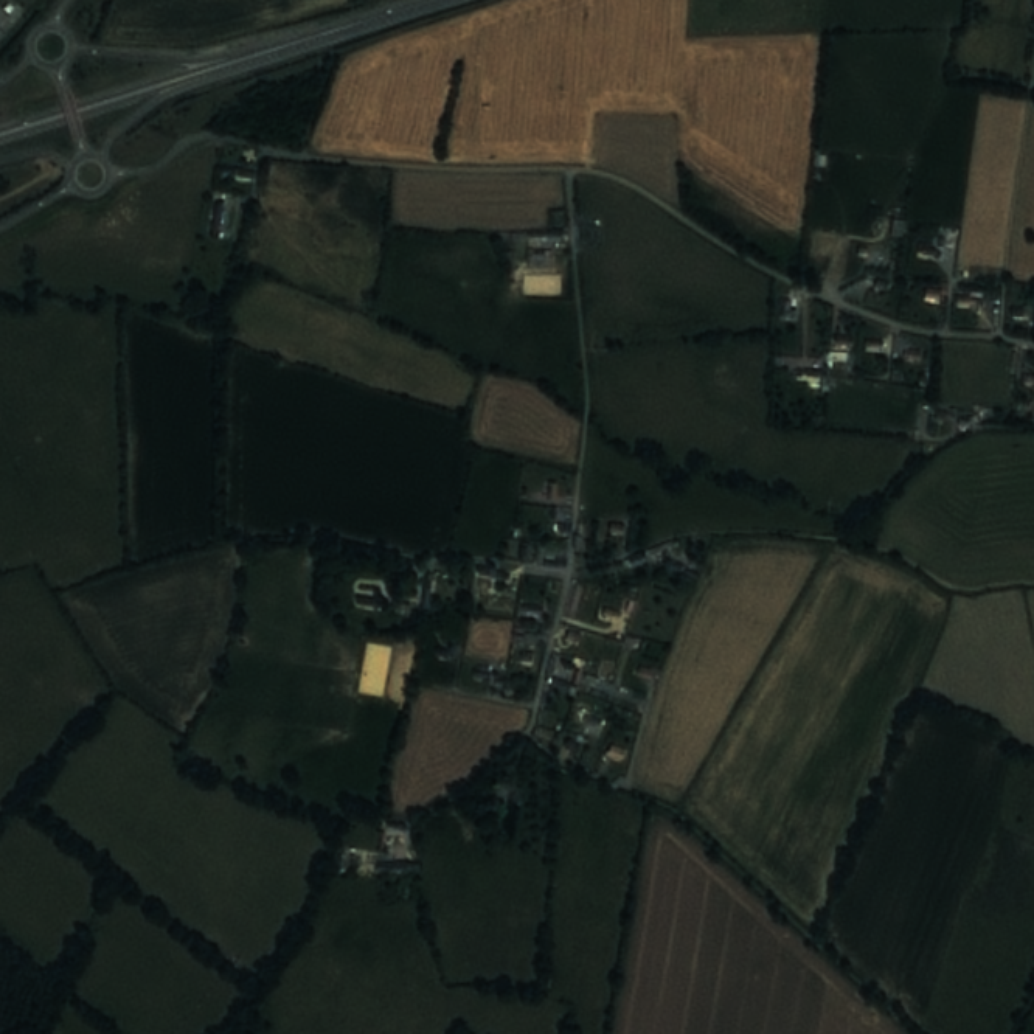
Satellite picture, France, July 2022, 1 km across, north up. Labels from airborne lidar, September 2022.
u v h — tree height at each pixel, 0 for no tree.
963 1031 0
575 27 0
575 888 0
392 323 10
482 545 0
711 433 0
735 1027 0
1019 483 0
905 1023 12
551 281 0
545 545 13
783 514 0
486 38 0
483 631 0
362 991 0
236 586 10
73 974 19
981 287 9
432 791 0
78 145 0
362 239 0
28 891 0
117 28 0
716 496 0
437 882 0
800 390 0
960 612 0
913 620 0
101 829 0
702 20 0
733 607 0
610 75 0
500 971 0
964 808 0
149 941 0
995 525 0
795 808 0
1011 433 0
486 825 21
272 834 0
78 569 0
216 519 8
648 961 0
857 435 7
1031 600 0
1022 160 0
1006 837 0
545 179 0
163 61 0
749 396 0
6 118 0
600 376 0
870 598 0
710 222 6
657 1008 0
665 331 0
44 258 0
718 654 0
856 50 0
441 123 9
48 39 0
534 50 0
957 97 0
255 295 0
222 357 20
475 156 0
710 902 0
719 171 0
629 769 0
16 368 0
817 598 0
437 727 0
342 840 11
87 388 0
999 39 0
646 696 0
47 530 0
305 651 0
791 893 0
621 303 0
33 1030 32
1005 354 0
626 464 0
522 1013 0
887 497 7
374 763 0
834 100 0
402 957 0
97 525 0
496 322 0
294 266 0
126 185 0
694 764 0
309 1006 0
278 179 0
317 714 0
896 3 0
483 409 0
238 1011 18
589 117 0
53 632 0
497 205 0
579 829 0
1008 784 0
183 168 0
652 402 0
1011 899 0
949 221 0
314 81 9
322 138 0
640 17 0
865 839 13
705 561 12
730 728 0
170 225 0
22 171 0
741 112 0
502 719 0
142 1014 0
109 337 0
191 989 0
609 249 0
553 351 0
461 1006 0
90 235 0
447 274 0
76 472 0
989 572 0
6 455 0
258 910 0
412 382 0
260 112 9
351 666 0
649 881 0
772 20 0
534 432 0
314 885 16
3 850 0
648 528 12
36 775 19
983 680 0
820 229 0
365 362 0
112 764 0
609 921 0
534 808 6
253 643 0
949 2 0
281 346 0
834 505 0
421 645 9
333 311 0
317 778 0
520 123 0
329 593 15
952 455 0
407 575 26
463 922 0
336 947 0
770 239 0
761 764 0
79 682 0
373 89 0
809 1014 0
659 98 0
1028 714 0
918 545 0
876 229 0
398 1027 0
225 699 0
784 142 0
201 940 19
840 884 16
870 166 0
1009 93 14
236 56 0
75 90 0
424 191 0
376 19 0
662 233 0
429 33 0
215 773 20
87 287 0
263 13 0
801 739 0
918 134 0
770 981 0
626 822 0
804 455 0
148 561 9
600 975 0
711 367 0
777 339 9
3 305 9
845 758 0
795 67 0
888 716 0
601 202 0
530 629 7
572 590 0
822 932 16
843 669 0
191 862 0
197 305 10
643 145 0
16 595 0
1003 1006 0
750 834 0
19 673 0
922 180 0
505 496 0
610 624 0
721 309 0
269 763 0
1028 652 0
